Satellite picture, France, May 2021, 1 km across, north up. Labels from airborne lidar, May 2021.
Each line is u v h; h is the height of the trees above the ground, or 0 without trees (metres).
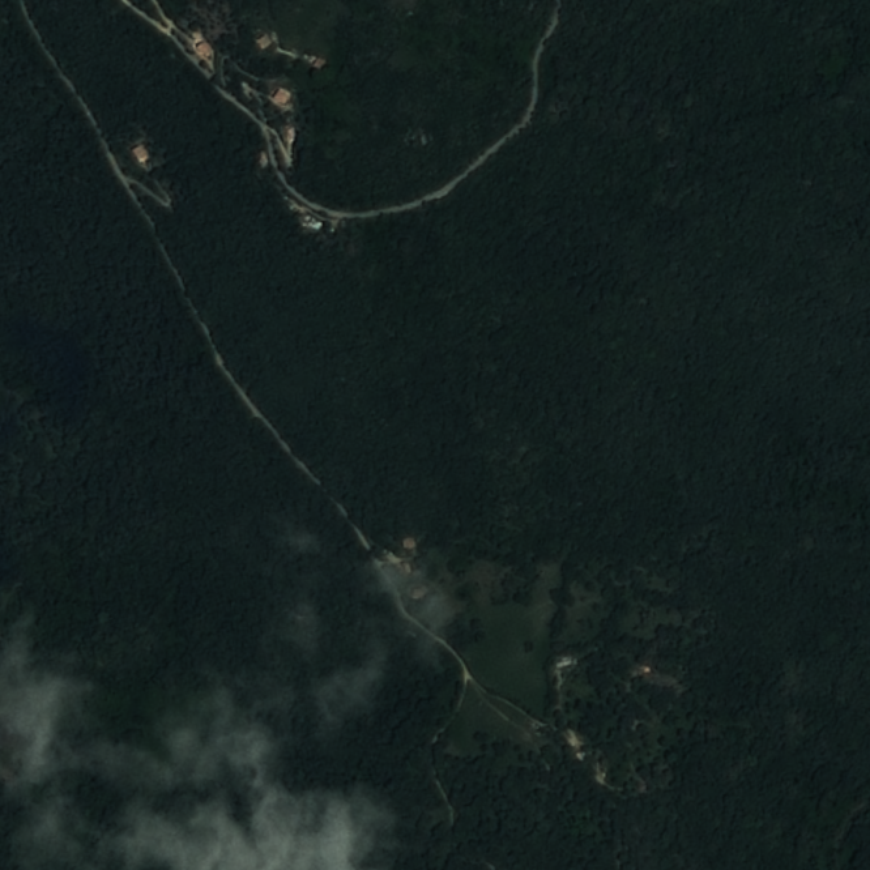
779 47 13
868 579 17
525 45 0
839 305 10
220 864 6
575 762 10
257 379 7
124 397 12
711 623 9
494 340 12
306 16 0
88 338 15
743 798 12
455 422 6
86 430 10
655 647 12
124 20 8
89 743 11
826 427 12
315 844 9
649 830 7
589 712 16
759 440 16
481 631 7
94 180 8
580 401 12
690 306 11
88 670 10
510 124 8
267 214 6
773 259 13
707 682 10
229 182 7
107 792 7
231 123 9
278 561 7
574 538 12
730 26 11
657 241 10
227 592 11
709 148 10
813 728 10
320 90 8
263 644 8
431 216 6
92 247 9
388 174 7
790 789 19
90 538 13
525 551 6
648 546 6
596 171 9
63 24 7
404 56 0
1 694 0
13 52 14
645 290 8
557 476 8
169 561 10
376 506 7
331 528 12
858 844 14
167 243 8
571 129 8
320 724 8
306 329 7
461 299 8
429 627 8
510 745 8
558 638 7
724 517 13
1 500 15
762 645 12
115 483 10
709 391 13
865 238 18
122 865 7
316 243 6
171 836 9
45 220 9
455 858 13
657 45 10
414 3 0
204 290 9
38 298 12
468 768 12
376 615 7
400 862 13
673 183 10
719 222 11
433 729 8
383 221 8
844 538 14
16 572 8
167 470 11
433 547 7
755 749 14
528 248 12
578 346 12
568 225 6
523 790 14
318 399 6
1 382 10
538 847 15
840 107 11
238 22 6
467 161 12
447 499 6
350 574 7
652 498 12
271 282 7
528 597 10
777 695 13
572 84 17
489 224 10
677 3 12
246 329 8
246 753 13
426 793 13
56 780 10
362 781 10
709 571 12
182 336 15
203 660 7
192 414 13
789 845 11
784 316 12
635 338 11
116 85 8
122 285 11
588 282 10
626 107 13
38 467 11
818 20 19
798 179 13
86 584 8
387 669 11
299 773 13
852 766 9
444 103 5
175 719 0
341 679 9
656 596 11
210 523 12
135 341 13
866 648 16
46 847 16
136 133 7
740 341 13
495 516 7
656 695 12
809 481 8
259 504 10
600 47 10
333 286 7
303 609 9
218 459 10
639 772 9
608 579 8
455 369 9
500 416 8
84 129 7
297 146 7
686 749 6
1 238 9
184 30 7
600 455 12
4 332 9
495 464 6
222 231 9
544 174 8
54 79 7
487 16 8
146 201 9
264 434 10
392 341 9
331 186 6
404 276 7
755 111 10
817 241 10
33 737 0
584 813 10
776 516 16
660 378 13
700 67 7
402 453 7
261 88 8
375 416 6
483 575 0
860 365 12
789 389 13
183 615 12
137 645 10
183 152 7
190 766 13
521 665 0
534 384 11
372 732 13
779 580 14
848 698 15
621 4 12
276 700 9
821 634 16
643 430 12
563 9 8
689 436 13
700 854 15
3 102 11
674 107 8
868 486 14
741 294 9
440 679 8
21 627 8
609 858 11
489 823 13
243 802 16
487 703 0
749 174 14
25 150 12
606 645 7
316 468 8
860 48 15
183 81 9
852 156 15
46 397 8
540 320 11
